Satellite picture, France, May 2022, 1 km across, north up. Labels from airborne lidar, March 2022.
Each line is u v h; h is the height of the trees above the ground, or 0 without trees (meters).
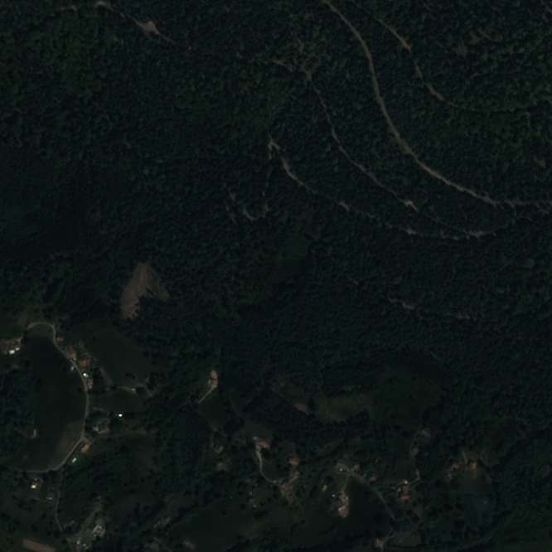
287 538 0
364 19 19
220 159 38
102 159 28
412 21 17
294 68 14
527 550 0
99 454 0
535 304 20
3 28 26
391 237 27
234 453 12
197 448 20
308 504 0
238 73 24
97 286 17
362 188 22
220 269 29
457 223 17
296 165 20
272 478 0
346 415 0
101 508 0
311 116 13
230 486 20
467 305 31
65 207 15
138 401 0
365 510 0
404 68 18
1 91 32
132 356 0
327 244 17
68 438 0
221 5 23
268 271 9
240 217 32
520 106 14
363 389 28
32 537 0
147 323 23
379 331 30
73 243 16
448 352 30
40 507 0
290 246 22
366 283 21
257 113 23
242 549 24
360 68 19
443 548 19
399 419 6
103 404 0
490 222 27
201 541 0
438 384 9
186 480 16
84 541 0
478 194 15
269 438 0
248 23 29
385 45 19
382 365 18
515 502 23
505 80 23
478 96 14
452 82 19
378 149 14
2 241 13
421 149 12
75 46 27
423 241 22
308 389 22
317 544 0
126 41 29
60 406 0
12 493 0
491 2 24
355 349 23
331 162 21
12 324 0
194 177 36
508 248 35
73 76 28
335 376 18
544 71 21
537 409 25
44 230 17
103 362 0
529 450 24
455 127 18
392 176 18
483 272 28
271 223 27
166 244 26
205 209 31
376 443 21
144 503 0
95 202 13
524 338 32
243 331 27
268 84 22
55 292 24
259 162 27
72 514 0
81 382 0
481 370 35
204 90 26
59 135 31
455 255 25
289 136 17
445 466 16
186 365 22
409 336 13
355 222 26
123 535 15
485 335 30
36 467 0
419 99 15
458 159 19
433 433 17
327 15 19
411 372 21
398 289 30
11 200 17
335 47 7
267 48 24
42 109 23
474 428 28
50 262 22
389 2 18
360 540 11
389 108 12
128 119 26
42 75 26
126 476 0
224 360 25
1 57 31
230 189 9
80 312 10
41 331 0
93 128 25
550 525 0
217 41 27
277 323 33
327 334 27
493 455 0
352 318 31
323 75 11
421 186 21
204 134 29
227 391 16
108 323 0
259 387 19
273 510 0
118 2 21
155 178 26
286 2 22
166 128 23
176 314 23
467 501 0
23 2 23
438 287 28
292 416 26
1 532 0
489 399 18
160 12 26
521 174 26
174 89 27
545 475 0
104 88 31
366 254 29
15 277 13
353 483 0
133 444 0
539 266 25
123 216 30
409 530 0
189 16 24
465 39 21
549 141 21
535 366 27
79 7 17
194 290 24
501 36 25
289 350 29
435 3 30
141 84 22
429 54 20
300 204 29
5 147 24
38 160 23
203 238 25
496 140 21
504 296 29
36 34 28
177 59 15
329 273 26
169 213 31
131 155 29
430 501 16
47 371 0
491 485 0
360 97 19
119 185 22
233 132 27
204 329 26
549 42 23
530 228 28
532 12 29
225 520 0
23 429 18
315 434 27
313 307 28
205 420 11
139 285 0
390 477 0
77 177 10
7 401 26
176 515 0
